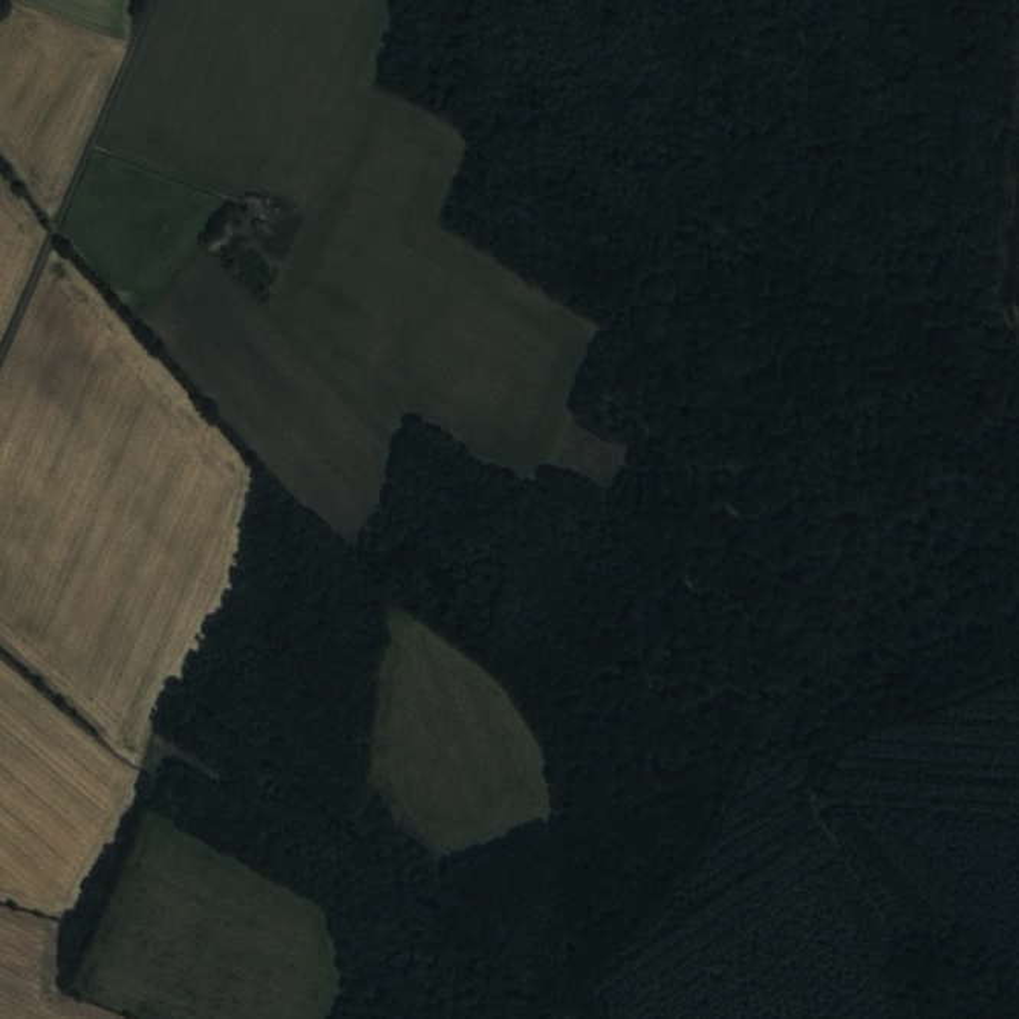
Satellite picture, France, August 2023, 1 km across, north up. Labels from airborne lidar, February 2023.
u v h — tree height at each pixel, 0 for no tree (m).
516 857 17
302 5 0
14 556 0
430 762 0
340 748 20
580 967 20
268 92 0
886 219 17
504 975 22
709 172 23
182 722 18
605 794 25
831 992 20
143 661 0
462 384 0
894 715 13
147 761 0
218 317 0
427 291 0
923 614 10
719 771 18
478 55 25
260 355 0
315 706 20
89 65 0
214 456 0
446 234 0
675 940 17
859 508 15
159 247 0
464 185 18
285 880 14
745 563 24
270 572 18
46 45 0
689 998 19
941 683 14
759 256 18
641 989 20
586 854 21
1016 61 23
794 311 18
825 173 22
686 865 17
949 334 20
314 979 0
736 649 20
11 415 0
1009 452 24
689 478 24
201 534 0
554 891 23
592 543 11
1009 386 20
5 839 0
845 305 20
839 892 17
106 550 0
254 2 0
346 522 0
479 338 0
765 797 20
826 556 24
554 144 24
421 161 0
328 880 21
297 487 0
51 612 0
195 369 0
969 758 17
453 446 16
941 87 24
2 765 0
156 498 0
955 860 16
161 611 0
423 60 26
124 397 0
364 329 0
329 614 20
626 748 25
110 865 13
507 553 20
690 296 21
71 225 0
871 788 17
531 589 7
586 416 14
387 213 0
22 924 0
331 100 0
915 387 15
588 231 26
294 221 0
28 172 0
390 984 25
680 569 22
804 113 22
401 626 0
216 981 0
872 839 16
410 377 0
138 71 0
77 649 0
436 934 23
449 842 0
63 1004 0
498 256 18
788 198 17
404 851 19
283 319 0
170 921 0
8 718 0
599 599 16
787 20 20
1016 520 20
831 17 22
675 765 20
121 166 0
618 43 24
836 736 22
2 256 0
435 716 0
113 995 0
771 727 19
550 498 20
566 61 20
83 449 0
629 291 19
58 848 0
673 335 22
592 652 25
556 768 18
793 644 21
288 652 17
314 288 0
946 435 18
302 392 0
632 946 18
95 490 0
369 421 0
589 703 23
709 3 26
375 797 13
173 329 0
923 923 16
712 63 24
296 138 0
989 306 17
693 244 25
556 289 21
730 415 16
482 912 22
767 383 20
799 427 11
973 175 19
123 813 0
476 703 0
